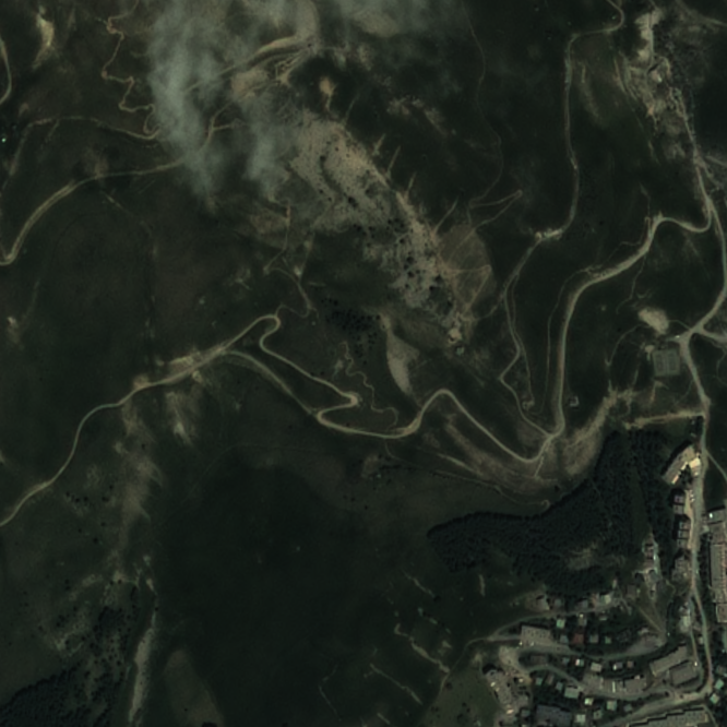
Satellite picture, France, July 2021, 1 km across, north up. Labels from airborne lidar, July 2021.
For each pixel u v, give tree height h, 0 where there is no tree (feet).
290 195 0
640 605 0
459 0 0
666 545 45
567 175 0
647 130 0
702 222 0
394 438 0
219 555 0
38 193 0
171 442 0
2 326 0
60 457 0
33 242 0
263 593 0
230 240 0
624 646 34
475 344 0
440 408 0
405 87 0
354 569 0
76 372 0
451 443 0
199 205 0
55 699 42
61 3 0
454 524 53
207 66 0
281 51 0
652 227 0
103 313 0
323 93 0
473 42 0
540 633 0
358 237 0
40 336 0
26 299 0
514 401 0
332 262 0
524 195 0
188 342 0
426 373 0
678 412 0
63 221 0
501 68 0
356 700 0
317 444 0
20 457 0
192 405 0
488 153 0
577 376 0
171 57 0
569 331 0
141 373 0
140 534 0
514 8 0
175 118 0
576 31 0
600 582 42
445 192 0
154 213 0
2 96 0
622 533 53
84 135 0
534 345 0
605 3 0
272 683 0
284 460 0
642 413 0
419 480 0
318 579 0
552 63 0
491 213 0
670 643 21
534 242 0
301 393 0
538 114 0
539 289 0
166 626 0
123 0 0
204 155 0
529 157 0
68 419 0
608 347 0
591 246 0
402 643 0
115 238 0
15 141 0
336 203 0
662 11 0
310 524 0
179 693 0
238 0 0
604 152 0
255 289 0
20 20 0
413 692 0
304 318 0
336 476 0
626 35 0
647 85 0
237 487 0
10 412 0
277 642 0
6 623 0
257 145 0
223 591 0
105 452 0
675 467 0
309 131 0
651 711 0
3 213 0
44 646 0
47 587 0
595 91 0
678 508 0
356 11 0
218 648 0
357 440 0
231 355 0
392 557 0
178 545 0
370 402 0
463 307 0
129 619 31
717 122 0
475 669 0
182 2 0
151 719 0
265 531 0
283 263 0
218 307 0
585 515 54
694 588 0
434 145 0
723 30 0
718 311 0
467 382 0
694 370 0
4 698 0
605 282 0
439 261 0
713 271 0
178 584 0
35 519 0
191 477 0
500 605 0
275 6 0
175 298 0
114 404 0
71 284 0
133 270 0
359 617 0
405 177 0
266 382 0
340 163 0
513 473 0
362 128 0
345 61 0
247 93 0
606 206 0
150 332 0
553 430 0
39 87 0
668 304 0
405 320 0
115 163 0
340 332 0
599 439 0
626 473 56
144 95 0
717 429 0
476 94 0
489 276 0
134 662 0
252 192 0
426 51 0
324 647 0
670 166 0
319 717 0
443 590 0
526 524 48
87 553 0
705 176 0
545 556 51
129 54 0
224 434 0
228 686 0
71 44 0
